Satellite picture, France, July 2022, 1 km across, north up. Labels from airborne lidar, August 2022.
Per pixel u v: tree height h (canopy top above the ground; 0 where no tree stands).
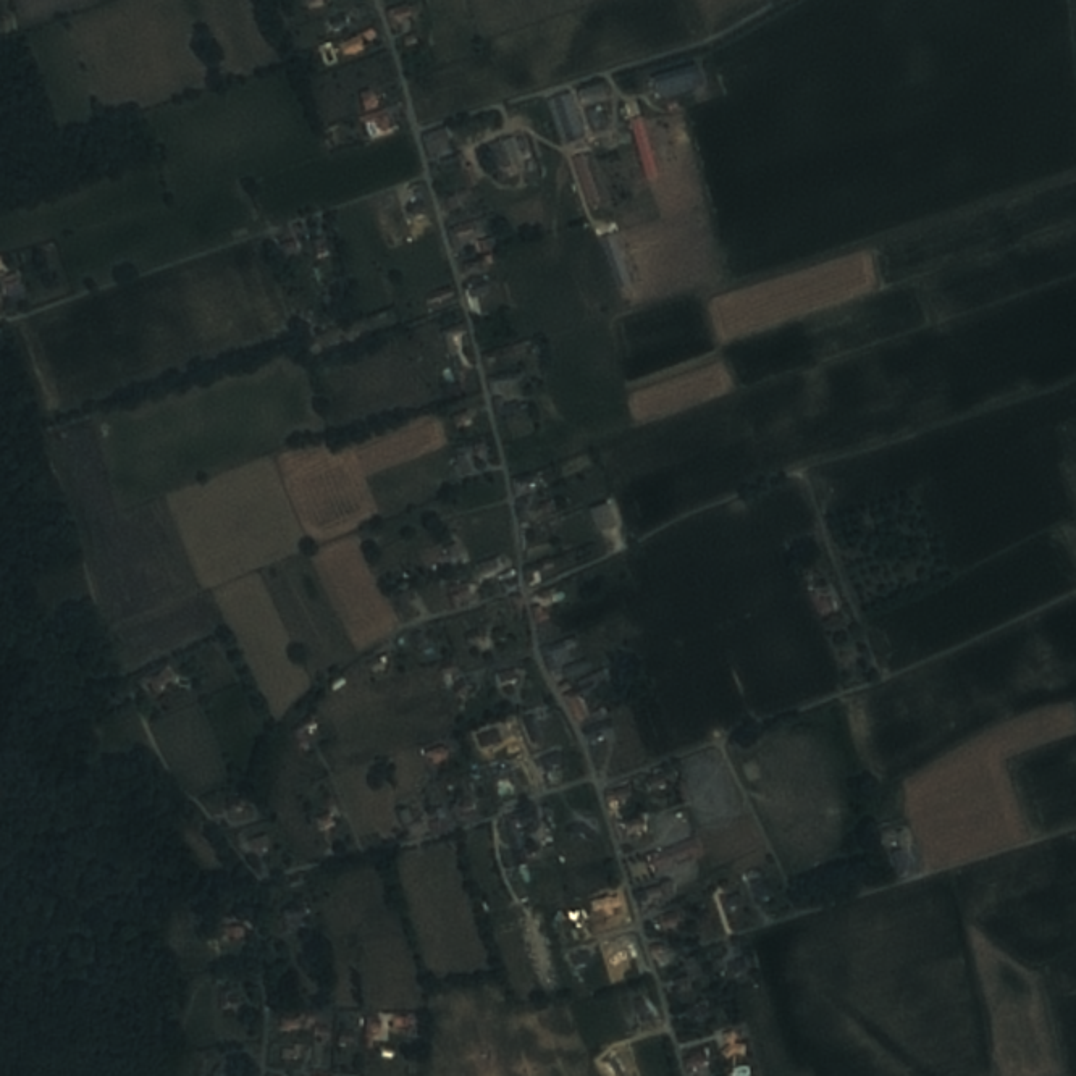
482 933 8
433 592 0
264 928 13
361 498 0
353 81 0
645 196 0
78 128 14
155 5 0
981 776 0
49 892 36
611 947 0
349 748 0
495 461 9
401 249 0
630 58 0
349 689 0
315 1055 0
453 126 8
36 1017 23
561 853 0
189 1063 0
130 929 33
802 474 0
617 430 0
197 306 0
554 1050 0
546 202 0
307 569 0
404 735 0
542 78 0
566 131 0
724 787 0
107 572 0
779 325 0
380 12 0
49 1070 21
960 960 0
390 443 0
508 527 0
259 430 0
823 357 0
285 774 0
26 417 19
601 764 0
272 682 0
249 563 0
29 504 11
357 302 11
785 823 0
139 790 23
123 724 0
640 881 9
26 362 11
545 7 0
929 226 0
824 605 0
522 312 0
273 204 0
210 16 0
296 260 13
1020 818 0
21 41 13
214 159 0
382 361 0
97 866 32
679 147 0
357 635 0
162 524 0
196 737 0
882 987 0
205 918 20
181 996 6
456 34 0
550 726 0
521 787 0
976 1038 0
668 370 0
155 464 0
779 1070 0
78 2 0
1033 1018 0
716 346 0
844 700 0
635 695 21
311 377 7
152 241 0
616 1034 0
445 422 0
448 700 0
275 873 12
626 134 0
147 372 0
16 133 24
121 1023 24
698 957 12
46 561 21
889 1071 0
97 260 0
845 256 0
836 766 0
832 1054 0
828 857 0
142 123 19
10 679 15
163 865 27
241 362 16
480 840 0
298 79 13
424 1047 17
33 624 20
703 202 0
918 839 0
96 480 0
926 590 10
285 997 20
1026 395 0
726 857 0
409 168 0
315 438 14
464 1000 0
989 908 0
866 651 14
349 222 0
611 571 0
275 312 0
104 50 0
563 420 0
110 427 0
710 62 0
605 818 0
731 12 0
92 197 0
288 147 0
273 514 0
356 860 14
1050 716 0
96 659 18
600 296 0
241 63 0
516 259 0
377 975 0
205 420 0
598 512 0
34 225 0
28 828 21
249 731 0
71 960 39
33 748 26
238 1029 0
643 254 0
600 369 0
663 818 0
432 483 0
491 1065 0
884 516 11
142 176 0
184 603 0
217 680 0
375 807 0
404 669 12
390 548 0
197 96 9
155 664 9
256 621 0
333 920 0
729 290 0
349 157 0
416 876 0
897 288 0
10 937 33
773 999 0
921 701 0
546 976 0
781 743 0
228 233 0
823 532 0
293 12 7
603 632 0
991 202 0
